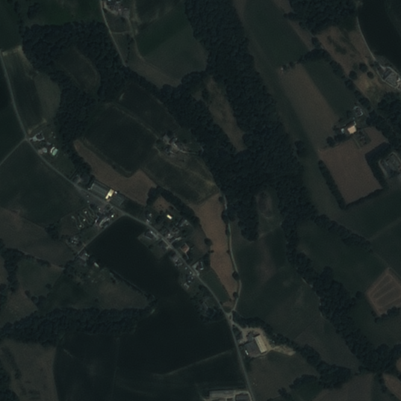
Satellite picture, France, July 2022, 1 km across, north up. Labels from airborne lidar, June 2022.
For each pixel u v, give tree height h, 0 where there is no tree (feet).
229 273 0
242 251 0
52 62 92
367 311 0
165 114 0
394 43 0
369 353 73
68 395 0
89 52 99
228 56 35
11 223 0
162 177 0
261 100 92
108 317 94
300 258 72
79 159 51
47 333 105
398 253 0
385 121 89
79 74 0
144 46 0
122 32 0
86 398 0
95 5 0
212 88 0
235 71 40
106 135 0
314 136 0
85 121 54
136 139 0
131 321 91
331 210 0
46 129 0
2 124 0
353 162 0
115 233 0
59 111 23
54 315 52
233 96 86
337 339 0
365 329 0
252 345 0
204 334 0
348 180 0
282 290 0
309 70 0
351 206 31
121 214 0
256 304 0
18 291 0
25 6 0
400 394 0
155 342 0
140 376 0
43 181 0
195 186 0
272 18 0
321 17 45
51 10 0
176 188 0
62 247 0
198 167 0
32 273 0
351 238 84
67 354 0
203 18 97
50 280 0
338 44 0
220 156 108
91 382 0
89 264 41
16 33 0
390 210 0
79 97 61
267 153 78
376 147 0
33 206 0
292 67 37
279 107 0
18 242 0
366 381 0
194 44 0
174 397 0
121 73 97
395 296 0
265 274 0
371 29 0
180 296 0
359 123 0
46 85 0
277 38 0
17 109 0
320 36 0
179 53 0
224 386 0
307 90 0
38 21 0
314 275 43
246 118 74
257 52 0
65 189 0
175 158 0
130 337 0
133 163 0
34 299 52
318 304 0
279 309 0
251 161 100
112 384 0
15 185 0
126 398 0
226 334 0
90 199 0
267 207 0
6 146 0
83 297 0
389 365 68
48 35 122
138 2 0
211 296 26
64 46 102
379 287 0
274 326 0
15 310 0
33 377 0
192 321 0
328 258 0
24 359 0
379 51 0
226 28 99
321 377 32
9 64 0
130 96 0
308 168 0
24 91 0
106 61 95
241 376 0
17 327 65
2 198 0
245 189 104
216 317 60
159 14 0
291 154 71
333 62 57
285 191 81
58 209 0
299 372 0
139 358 0
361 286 0
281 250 0
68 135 39
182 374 0
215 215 0
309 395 0
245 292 0
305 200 29
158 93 82
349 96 0
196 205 0
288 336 0
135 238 0
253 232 94
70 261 31
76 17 0
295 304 0
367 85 0
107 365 0
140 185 0
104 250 0
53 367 0
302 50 0
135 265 0
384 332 0
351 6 60
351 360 0
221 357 0
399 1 0
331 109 0
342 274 0
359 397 0
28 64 0
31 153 0
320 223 79
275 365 0
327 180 42
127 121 0
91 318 95
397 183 0
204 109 92
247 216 91
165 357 0
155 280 0
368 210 0
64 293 0
